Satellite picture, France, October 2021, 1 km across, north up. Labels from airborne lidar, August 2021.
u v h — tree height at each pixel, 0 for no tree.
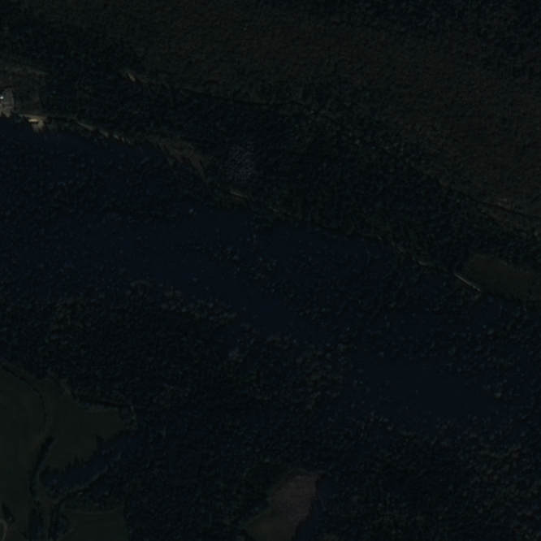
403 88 23
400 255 7
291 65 19
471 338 18
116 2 16
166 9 17
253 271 31
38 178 31
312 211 7
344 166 26
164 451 16
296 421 29
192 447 22
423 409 21
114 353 7
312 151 17
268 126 20
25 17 18
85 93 21
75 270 17
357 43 17
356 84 22
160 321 11
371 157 27
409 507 19
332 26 20
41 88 12
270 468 12
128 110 25
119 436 0
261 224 25
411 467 12
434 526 15
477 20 22
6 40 8
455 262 28
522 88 10
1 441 0
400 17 16
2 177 27
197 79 19
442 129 24
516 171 16
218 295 26
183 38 18
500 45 16
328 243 19
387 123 21
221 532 22
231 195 19
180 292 27
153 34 22
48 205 31
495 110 10
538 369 12
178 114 26
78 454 0
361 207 25
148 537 24
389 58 15
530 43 19
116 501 11
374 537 6
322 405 6
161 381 19
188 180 21
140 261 30
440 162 22
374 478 7
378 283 29
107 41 18
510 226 9
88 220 15
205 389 12
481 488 19
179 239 21
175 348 8
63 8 16
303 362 24
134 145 0
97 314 14
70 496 10
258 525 0
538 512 18
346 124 9
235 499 12
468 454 22
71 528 12
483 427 23
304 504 0
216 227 17
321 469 22
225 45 21
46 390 0
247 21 15
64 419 0
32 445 0
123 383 14
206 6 19
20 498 0
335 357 22
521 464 24
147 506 22
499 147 18
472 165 23
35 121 0
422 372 20
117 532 0
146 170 20
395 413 23
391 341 27
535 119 11
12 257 28
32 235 28
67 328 11
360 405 19
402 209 30
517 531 15
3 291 22
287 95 19
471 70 13
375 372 19
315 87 22
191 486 27
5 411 0
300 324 24
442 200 28
